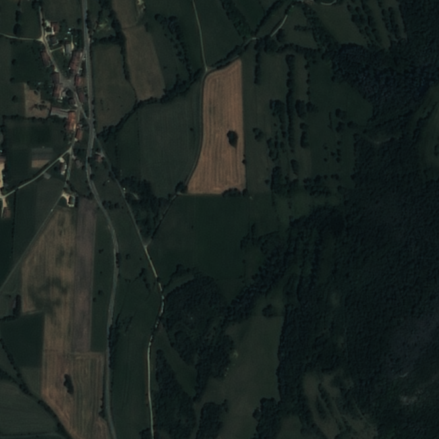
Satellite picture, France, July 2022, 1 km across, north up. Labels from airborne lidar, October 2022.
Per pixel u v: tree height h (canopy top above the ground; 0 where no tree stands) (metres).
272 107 14
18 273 0
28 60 0
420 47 12
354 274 5
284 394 13
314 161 0
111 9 8
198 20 0
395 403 12
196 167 0
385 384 10
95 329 0
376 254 9
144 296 0
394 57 7
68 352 0
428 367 7
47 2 0
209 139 0
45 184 0
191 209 0
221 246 0
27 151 0
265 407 19
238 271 0
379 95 22
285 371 22
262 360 0
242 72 0
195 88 0
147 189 9
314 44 0
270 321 0
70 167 0
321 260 23
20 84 0
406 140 14
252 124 0
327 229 25
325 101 0
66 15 0
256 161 0
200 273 7
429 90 12
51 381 0
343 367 8
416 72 29
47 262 0
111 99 0
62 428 11
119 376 0
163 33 0
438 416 13
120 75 0
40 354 0
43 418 0
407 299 21
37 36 0
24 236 0
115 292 0
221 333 8
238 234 0
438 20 16
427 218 13
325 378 0
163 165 0
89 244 0
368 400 11
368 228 11
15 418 0
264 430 15
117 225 0
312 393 0
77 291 0
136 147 0
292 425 0
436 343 6
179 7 0
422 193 10
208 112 0
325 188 9
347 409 9
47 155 0
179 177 0
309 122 0
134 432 0
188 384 0
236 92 0
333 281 7
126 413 0
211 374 7
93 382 0
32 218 0
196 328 15
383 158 9
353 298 9
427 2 11
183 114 0
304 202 0
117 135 6
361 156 6
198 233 0
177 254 0
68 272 0
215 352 12
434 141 0
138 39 0
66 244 0
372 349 17
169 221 0
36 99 0
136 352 0
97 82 0
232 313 23
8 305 0
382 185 8
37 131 0
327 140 0
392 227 7
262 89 0
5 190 12
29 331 0
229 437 0
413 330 7
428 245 15
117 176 12
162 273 0
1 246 0
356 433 6
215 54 0
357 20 20
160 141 0
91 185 0
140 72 0
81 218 0
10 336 0
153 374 0
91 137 0
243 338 0
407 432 16
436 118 0
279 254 18
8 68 0
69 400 0
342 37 0
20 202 0
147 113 0
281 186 15
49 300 0
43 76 0
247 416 0
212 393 0
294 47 14
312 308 15
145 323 0
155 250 0
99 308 0
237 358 0
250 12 0
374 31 14
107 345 0
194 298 10
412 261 8
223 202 0
